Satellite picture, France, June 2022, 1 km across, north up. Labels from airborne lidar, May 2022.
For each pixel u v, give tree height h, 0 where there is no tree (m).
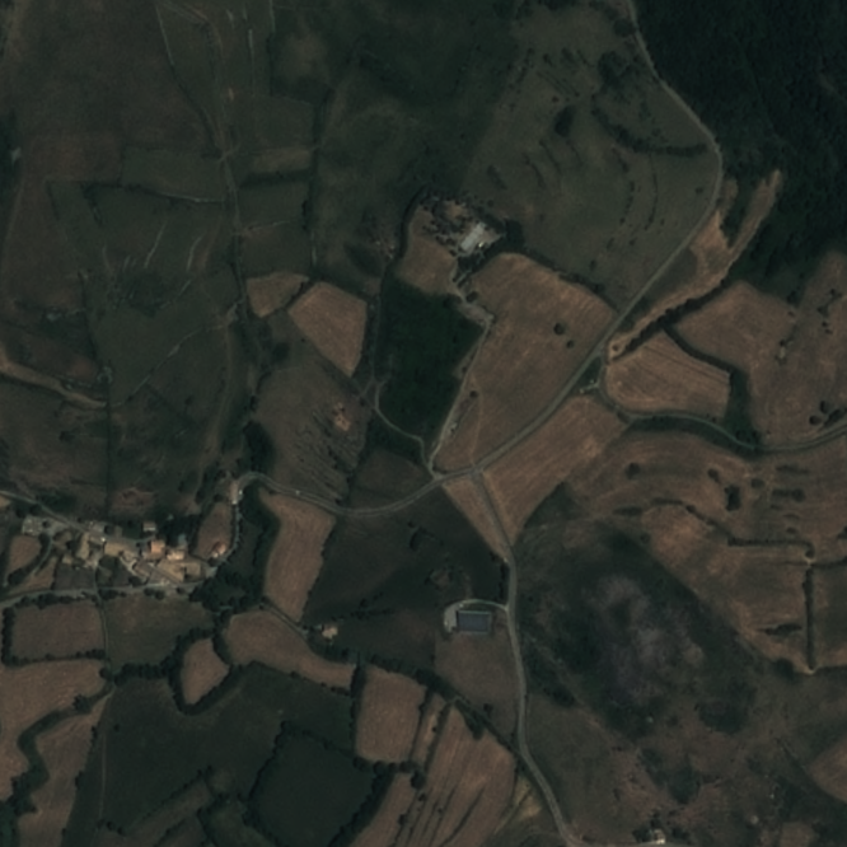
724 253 0
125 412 0
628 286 0
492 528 0
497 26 0
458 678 0
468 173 0
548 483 0
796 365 0
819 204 13
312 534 0
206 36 0
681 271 0
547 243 0
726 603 0
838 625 0
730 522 0
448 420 0
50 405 0
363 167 0
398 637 0
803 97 13
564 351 0
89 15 0
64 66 0
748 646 0
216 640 14
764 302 0
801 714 0
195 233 0
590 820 0
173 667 10
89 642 0
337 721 0
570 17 0
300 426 0
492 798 0
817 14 10
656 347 0
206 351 0
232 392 0
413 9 0
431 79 0
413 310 0
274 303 0
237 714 0
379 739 0
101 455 0
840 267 0
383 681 0
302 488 0
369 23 0
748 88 14
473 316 0
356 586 0
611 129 6
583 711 0
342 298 0
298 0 0
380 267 0
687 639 0
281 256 0
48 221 0
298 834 0
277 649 0
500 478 0
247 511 16
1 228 0
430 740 0
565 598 0
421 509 0
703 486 0
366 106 0
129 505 0
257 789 12
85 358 0
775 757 0
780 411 0
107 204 0
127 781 0
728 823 0
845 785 0
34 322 0
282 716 0
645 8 10
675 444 0
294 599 0
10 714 0
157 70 0
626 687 0
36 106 0
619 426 0
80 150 0
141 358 0
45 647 0
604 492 0
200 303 0
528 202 0
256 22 0
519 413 0
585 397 0
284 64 0
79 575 0
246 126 0
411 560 0
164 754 0
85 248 0
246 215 0
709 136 0
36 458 0
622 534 0
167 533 13
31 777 16
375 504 0
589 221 0
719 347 0
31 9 0
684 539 0
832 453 0
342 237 0
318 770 0
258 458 13
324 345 0
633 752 0
